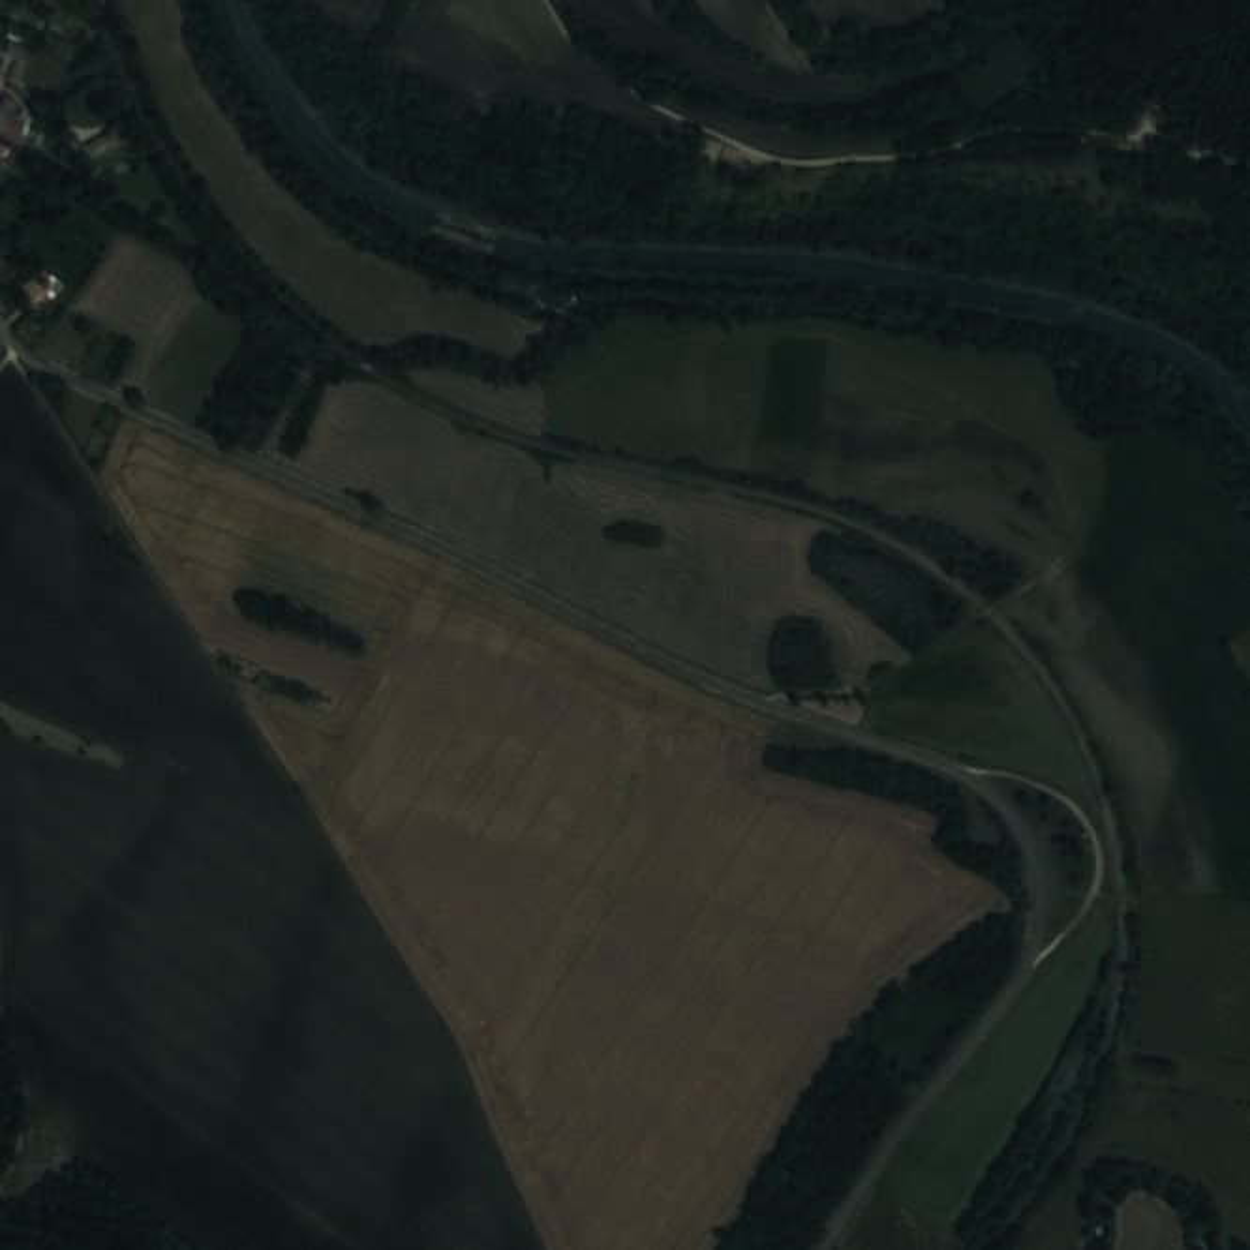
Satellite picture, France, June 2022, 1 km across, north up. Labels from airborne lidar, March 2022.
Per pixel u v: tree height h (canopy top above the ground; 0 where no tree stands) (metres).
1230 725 0
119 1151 0
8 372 0
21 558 0
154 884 0
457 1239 0
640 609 0
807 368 0
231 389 21
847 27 13
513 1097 0
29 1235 21
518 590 0
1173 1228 0
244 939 0
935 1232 0
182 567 0
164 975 0
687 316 15
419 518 0
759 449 0
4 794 0
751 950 0
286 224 0
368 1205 0
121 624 0
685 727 0
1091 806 0
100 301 0
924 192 15
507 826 0
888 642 0
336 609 0
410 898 0
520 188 13
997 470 0
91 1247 29
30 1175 0
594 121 9
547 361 11
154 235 27
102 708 0
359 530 0
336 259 0
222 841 0
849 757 9
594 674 0
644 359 0
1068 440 0
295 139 0
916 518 9
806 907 0
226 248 15
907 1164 0
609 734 0
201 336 0
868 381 0
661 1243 0
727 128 0
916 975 15
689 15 10
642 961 0
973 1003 10
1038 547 0
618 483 0
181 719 0
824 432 0
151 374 0
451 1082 0
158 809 0
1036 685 0
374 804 0
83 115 0
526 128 12
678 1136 0
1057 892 0
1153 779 0
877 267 0
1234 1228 0
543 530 0
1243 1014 0
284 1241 0
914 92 16
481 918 0
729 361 0
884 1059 20
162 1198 0
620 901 0
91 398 0
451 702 0
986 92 0
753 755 0
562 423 0
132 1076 0
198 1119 0
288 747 0
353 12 0
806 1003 0
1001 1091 0
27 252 7
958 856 7
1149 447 0
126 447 0
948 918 0
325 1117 0
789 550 0
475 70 0
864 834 0
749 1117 0
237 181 0
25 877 0
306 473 0
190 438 0
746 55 8
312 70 12
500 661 0
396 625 0
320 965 0
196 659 0
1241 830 0
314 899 0
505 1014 0
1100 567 0
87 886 0
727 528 0
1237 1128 0
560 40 0
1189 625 0
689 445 0
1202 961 0
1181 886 0
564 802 0
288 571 0
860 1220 0
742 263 0
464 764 0
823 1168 18
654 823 0
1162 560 0
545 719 0
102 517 0
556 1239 0
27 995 0
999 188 6
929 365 0
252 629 0
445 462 0
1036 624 0
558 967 0
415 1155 0
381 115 17
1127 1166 9
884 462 0
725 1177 0
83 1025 0
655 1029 0
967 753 0
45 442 0
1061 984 0
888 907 0
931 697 0
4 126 0
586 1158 0
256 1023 0
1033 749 0
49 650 0
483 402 0
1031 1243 0
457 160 9
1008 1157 14
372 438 0
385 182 0
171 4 0
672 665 0
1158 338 0
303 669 0
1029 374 0
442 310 0
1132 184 6
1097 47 13
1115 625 0
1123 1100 0
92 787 0
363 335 0
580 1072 0
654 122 0
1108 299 13
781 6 7
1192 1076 0
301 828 0
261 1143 0
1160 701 0
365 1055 0
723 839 0
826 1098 17
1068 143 7
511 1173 0
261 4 22
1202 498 0
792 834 0
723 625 0
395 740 0
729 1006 0
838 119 15
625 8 0
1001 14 19
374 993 0
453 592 0
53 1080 0
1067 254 14
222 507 0
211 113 0
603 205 12
